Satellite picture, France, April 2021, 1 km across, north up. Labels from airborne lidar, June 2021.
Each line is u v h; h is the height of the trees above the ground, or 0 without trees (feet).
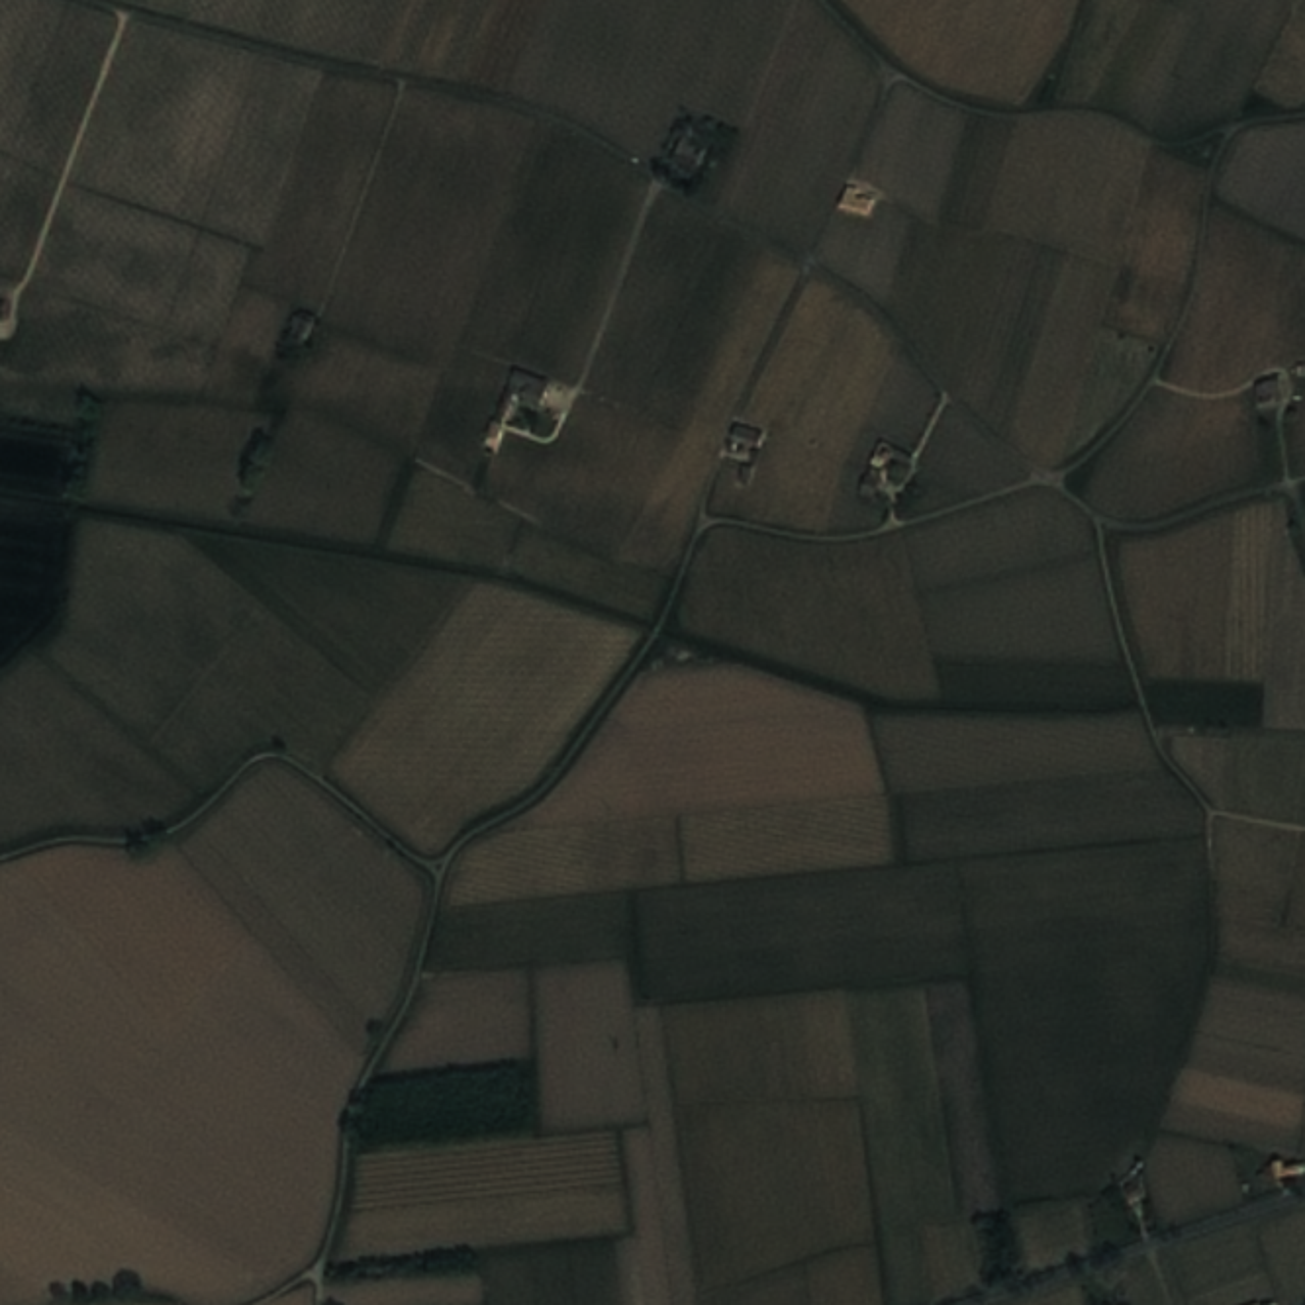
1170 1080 0
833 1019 0
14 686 0
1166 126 0
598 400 0
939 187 0
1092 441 0
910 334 0
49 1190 0
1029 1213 0
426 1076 32
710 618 0
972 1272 0
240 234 0
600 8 0
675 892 0
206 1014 0
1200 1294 0
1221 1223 0
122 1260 0
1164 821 0
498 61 0
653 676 0
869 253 0
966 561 0
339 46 0
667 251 0
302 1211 0
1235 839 0
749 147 0
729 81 0
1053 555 0
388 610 0
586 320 0
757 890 0
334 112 0
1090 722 0
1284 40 0
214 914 0
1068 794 0
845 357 0
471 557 0
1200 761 0
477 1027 0
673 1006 0
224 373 0
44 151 0
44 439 0
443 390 0
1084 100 0
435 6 0
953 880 0
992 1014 0
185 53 0
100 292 0
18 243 0
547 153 0
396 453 0
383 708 0
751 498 0
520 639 0
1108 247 0
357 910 0
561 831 0
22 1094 0
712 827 0
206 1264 0
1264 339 0
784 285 0
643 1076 0
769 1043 0
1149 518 0
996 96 0
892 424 0
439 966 0
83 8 0
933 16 0
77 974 0
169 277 0
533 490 0
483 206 0
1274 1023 0
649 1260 0
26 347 0
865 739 0
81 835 0
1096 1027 0
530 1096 31
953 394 0
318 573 0
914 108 0
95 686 0
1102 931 0
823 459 0
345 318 0
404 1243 0
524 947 0
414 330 0
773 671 0
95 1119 0
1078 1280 57
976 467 0
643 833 0
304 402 0
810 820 0
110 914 0
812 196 0
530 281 0
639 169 0
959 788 0
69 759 0
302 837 0
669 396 0
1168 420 0
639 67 0
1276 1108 0
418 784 0
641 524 0
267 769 0
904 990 0
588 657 0
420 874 0
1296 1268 0
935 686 0
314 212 0
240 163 0
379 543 0
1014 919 0
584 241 0
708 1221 0
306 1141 0
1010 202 0
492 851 0
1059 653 0
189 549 0
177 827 0
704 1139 0
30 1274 0
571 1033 0
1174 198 0
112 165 0
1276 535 0
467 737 0
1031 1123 0
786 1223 0
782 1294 0
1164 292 0
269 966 0
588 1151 0
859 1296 0
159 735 0
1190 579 0
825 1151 0
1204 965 0
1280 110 0
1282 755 0
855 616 0
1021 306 0
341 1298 0
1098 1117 0
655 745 0
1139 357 0
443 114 0
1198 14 0
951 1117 0
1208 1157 0
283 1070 0
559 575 0
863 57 0
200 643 0
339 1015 0
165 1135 0
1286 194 0
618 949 0
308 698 0
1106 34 0
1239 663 0
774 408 0
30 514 0
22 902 0
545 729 0
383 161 0
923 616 0
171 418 0
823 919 0
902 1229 0
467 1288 0
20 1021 0
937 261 0
